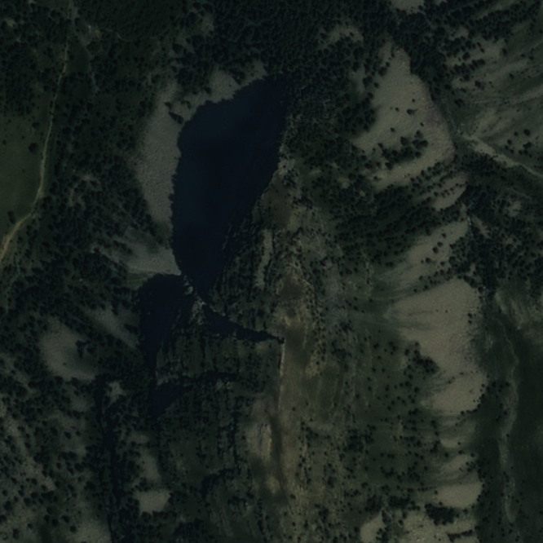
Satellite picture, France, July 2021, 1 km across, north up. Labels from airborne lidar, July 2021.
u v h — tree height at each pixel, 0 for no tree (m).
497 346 0
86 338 0
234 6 13
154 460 0
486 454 0
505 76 0
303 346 0
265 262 0
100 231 19
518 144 0
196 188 0
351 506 9
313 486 0
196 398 6
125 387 9
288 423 0
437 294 0
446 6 19
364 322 0
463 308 0
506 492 0
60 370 0
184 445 0
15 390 16
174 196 0
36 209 7
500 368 0
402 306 0
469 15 17
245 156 0
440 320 0
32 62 11
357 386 0
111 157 8
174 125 0
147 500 0
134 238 0
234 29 20
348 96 17
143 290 0
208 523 0
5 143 9
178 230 0
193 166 0
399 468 0
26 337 6
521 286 0
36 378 19
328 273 5
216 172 0
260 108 26
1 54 7
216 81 0
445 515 13
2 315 25
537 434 0
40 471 0
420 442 13
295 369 0
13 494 0
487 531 0
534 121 0
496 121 0
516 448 0
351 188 9
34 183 0
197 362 0
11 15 15
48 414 0
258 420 0
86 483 0
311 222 0
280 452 0
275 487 0
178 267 0
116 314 16
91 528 0
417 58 14
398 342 0
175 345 9
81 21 10
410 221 11
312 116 13
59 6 0
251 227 11
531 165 0
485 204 7
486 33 13
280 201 0
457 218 9
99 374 0
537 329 0
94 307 17
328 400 0
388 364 0
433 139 0
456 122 0
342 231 12
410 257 0
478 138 0
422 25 20
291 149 11
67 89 20
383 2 10
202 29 0
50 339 0
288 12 15
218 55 29
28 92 9
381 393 0
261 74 0
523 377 0
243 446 0
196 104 0
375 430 11
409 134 0
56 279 21
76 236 21
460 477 0
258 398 0
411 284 0
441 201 0
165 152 0
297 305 0
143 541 10
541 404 0
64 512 0
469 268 9
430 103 0
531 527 0
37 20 19
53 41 16
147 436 0
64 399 14
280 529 0
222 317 0
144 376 6
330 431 0
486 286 13
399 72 0
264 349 0
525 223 11
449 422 0
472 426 0
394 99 0
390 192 11
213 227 0
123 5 8
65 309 7
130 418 18
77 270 10
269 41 25
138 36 9
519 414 0
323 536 6
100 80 16
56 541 0
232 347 0
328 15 18
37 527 0
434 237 0
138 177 0
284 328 0
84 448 0
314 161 9
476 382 0
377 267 0
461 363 0
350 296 0
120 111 19
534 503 0
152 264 0
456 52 18
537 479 0
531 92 0
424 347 0
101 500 12
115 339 16
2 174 0
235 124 0
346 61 17
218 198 12
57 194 20
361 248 9
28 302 20
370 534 0
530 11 9
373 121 17
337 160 14
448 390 0
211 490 8
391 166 24
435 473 0
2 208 0
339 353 12
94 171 17
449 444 0
